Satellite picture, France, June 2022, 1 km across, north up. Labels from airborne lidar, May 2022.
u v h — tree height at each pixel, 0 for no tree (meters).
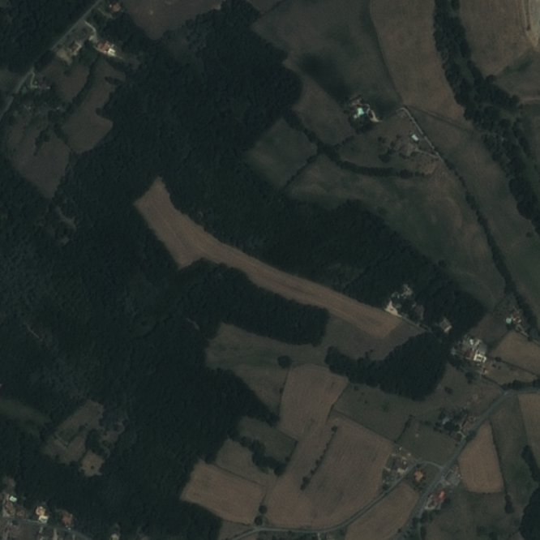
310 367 0
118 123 12
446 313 20
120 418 21
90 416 0
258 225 6
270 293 12
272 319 19
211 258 0
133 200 10
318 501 0
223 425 19
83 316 10
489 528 0
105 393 17
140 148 14
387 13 0
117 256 21
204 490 0
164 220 0
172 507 19
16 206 7
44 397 13
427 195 0
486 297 0
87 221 12
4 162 15
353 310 0
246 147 24
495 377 0
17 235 21
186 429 21
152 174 11
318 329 17
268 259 7
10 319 9
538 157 0
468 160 0
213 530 16
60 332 12
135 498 18
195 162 21
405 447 0
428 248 0
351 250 6
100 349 13
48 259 20
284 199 9
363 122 6
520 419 0
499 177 0
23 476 22
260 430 0
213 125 30
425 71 0
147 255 15
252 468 0
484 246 0
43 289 26
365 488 0
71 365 11
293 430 0
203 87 19
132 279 16
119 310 18
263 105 17
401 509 0
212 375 24
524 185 20
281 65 11
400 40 0
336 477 0
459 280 0
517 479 0
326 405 0
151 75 19
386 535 0
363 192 0
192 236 0
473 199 15
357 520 0
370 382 23
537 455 0
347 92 0
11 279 23
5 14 19
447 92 0
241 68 17
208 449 13
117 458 17
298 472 0
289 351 0
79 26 0
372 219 22
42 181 0
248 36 15
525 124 0
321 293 0
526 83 0
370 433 0
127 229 15
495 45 0
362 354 0
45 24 18
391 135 0
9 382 17
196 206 11
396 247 13
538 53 0
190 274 5
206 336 12
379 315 0
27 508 8
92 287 23
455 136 0
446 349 14
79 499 22
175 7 0
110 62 10
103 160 16
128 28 21
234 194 9
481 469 0
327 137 0
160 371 25
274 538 7
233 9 13
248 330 16
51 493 20
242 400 22
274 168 0
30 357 10
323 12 0
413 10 0
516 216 0
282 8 0
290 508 0
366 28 0
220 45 13
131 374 19
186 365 25
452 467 0
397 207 0
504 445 0
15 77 0
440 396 0
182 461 11
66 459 0
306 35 0
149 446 18
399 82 0
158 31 0
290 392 0
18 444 9
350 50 0
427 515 5
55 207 10
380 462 0
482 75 13
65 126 0
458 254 0
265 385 0
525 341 0
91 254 18
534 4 0
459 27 17
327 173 0
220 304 19
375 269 21
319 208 7
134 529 6
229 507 0
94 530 12
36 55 20
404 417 0
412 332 0
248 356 0
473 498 0
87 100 0
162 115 15
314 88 0
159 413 23
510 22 0
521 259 0
